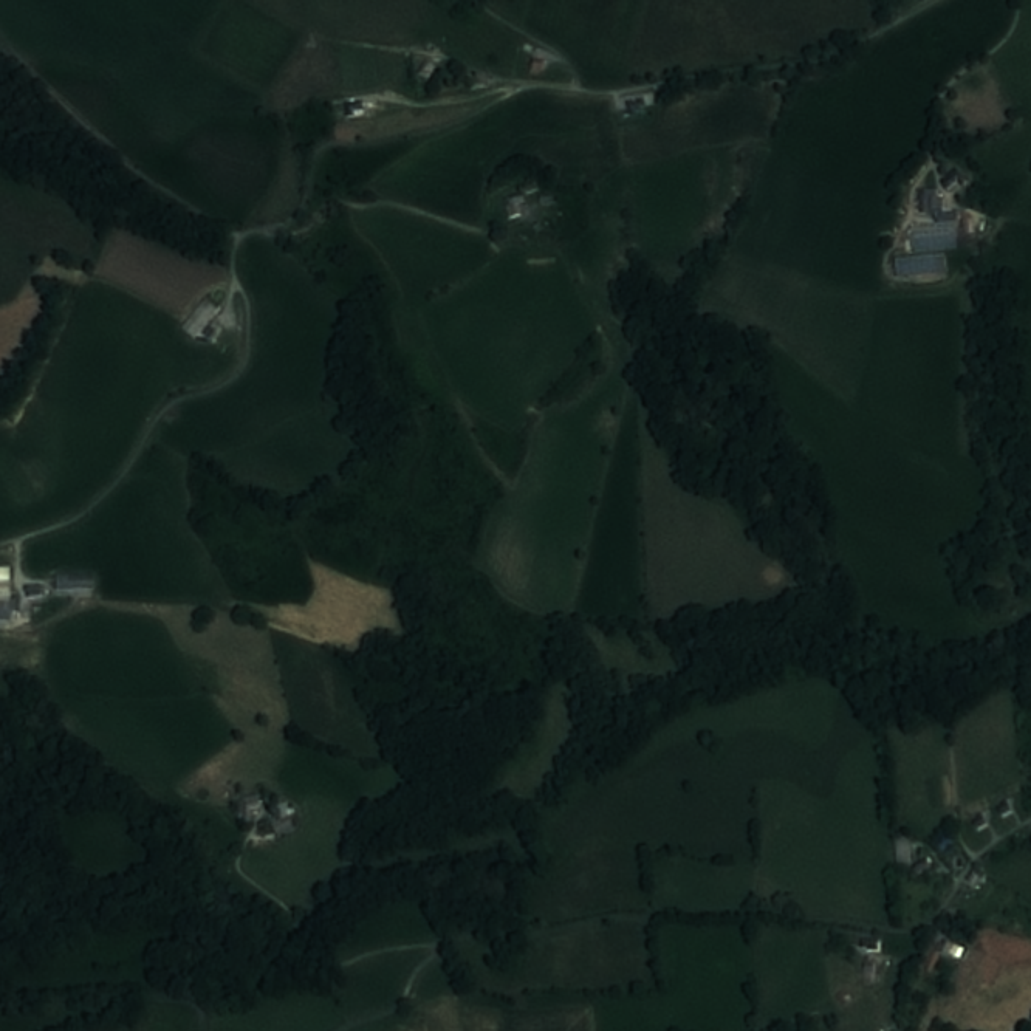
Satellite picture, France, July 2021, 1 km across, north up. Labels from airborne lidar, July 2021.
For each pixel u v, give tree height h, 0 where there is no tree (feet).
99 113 0
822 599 90
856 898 0
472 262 0
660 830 0
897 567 0
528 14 0
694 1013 0
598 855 0
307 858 0
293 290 0
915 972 58
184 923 79
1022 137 0
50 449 0
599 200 0
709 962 0
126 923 91
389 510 0
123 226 59
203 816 0
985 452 70
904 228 0
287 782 0
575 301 0
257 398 0
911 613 0
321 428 0
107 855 0
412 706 79
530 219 0
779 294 0
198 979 84
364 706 43
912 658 37
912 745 0
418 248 0
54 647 0
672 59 0
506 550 0
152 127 0
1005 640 59
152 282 0
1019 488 63
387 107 0
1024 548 77
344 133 0
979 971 0
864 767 0
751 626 82
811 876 0
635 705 89
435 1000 0
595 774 72
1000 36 0
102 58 0
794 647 98
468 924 65
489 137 0
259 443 0
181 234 86
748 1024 33
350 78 0
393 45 0
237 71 0
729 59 0
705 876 0
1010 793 0
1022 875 0
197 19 0
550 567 0
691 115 0
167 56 0
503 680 34
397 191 0
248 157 0
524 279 0
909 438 0
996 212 51
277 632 0
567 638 36
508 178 64
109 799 65
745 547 0
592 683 45
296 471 0
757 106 0
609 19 0
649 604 32
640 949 0
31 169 84
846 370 0
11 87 60
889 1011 0
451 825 116
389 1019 0
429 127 0
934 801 0
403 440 88
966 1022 0
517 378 0
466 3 36
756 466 100
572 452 0
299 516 102
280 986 104
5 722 49
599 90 0
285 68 0
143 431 0
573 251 0
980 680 100
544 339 0
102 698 0
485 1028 0
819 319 0
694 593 0
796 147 0
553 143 0
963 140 49
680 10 0
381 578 26
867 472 0
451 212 0
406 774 95
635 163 0
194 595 0
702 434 74
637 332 70
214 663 0
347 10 0
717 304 0
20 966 83
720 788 0
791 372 0
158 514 0
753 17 0
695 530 0
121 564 0
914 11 0
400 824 98
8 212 0
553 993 19
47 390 0
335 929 80
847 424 0
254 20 0
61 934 100
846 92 0
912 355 0
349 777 0
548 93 0
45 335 80
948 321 0
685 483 83
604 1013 0
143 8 0
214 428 0
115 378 0
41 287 68
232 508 21
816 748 0
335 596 0
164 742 0
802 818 0
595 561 0
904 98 0
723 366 103
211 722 0
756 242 0
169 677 0
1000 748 0
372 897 89
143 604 0
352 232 0
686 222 0
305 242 37
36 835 100
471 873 83
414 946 0
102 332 0
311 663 0
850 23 0
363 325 110
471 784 105
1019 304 76
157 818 32
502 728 96
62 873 62
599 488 0
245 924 81
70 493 0
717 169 0
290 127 24
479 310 0
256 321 0
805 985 0
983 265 64
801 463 85
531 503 0
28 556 0
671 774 0
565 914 0
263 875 0
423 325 0
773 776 0
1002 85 0
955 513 0
